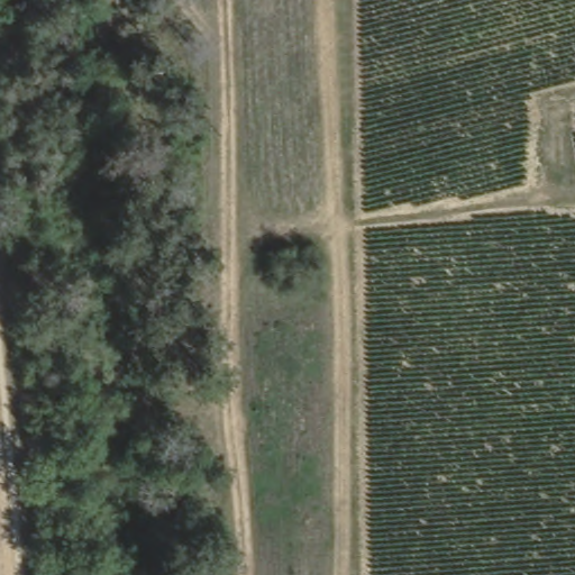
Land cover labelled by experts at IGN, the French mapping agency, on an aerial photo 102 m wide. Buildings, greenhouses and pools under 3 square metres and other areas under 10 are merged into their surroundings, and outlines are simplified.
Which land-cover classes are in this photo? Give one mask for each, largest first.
<instances>
[{"label":"deciduous trees","instance_id":"1","mask_svg":"<svg viewBox=\"0 0 575 575\"><path fill-rule=\"evenodd\" d=\"M175 0H0V341L7 344L13 429L22 440V445L13 454V467L16 472H20V501L34 508L38 526V537L25 550L40 562L36 571L38 575H238L243 550L238 548L234 537L231 474L227 469L225 456L216 454L209 447L193 418H182L173 409L182 400L191 398L204 404L225 402L231 393V373L222 357L231 350V341L218 323L222 261L218 249H209L202 243L198 234L200 225L195 222V213L202 209V142H216L220 137V126L207 117L209 103L204 94H200L193 85V56L202 47V38L193 31V22L180 13V7L173 4ZM272 265L276 274L272 276V283L267 288L279 290L281 303L290 305L312 308L321 305L330 296V256L326 245L319 238H314V243L308 249H283L274 256Z\"/></svg>","mask_w":575,"mask_h":575},{"label":"vineyard","instance_id":"2","mask_svg":"<svg viewBox=\"0 0 575 575\"><path fill-rule=\"evenodd\" d=\"M364 211H377L393 204H425L442 198H474L521 184L526 177V101L530 92L575 81V0H359ZM366 433L371 575H575V218L553 216L544 211H512L474 216L469 220L458 222L366 229Z\"/></svg>","mask_w":575,"mask_h":575},{"label":"herbaceous vegetation","instance_id":"3","mask_svg":"<svg viewBox=\"0 0 575 575\"><path fill-rule=\"evenodd\" d=\"M173 4L180 7V13L193 22V31L202 38V47L193 56V85L200 94H204L209 103L207 117L220 126L216 0H175ZM317 0H234L238 146L236 229L240 265L238 366L243 368L240 409L245 416V463L249 478L254 575H332L335 389L330 296L321 305L312 308L290 305L281 303L279 290L267 288L272 283V276L276 274L272 265L274 256L283 249H308L314 243V238H310V234L319 225L312 218V211L317 204L323 202L326 195L323 121L317 63L319 43L314 31ZM339 133L344 168L341 200L344 216L348 220L346 265L350 310V575H371L366 433V229L458 222L469 220L474 216L512 211H544L553 216L575 218V81L530 92L526 101V177L521 184L474 198H442L425 204H393L377 211H364L359 0H335ZM202 209L195 213V222L200 225L198 234L202 243L209 249H218L220 137L216 142H202ZM225 402L204 404L191 398L182 400L173 409L182 418H193L209 447L216 454L225 456ZM40 562L25 550L20 553L18 575H38L36 571Z\"/></svg>","mask_w":575,"mask_h":575},{"label":"pervious surface","instance_id":"4","mask_svg":"<svg viewBox=\"0 0 575 575\"><path fill-rule=\"evenodd\" d=\"M220 126V137L218 249L222 261L218 323L231 341V350L222 357L231 373V393L225 402V456L227 469L231 474L234 537L238 548L243 550L238 575H254L249 478L245 463V416L240 409L243 368L238 366L240 265L236 229L238 146L234 0H216ZM314 31L319 43L317 63L323 121L326 195L323 202L317 204L312 211V218L319 225L310 234V238H319L326 245L330 256V296L335 389L332 575H350V310L346 265L348 220L344 216L341 200L344 168L339 133L335 0H317ZM7 344L0 341V575H18L20 553L25 550L38 537V526L34 508L20 501V472H16L13 467V454L22 445V440L13 429Z\"/></svg>","mask_w":575,"mask_h":575}]
</instances>
